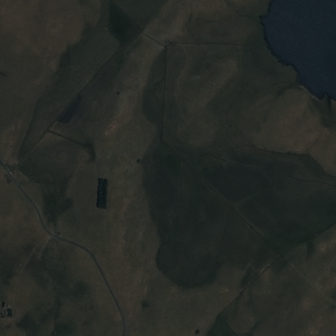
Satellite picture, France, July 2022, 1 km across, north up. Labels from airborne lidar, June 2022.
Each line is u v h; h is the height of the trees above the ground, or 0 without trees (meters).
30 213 0
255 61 0
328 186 0
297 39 0
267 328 0
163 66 0
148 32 0
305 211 0
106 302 0
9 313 13
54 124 0
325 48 0
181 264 0
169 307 0
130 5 0
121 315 0
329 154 0
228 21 0
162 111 0
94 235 0
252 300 0
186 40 0
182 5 0
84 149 0
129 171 0
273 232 0
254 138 0
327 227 0
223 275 0
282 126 0
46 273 0
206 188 0
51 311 0
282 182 0
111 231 0
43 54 0
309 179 0
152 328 0
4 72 0
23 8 0
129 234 0
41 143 0
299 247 0
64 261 0
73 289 0
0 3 0
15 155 0
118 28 0
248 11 0
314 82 0
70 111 0
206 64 0
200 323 0
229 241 0
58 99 0
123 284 0
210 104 0
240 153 0
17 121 0
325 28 0
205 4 0
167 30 0
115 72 0
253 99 0
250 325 0
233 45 0
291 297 0
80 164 0
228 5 0
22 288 0
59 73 0
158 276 0
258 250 0
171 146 0
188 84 0
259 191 0
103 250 0
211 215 0
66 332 0
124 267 0
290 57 0
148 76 0
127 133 0
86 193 0
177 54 0
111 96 0
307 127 0
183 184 0
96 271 0
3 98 0
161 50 0
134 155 0
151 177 0
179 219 0
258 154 0
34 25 0
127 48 0
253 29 0
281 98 0
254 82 0
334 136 0
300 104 0
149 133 0
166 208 0
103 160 0
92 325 0
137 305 0
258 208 0
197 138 0
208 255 0
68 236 0
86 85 0
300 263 0
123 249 0
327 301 0
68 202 0
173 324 0
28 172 0
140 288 0
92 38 0
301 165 0
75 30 0
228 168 0
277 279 0
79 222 0
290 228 0
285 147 0
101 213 0
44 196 0
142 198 0
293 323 0
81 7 0
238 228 0
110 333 0
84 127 0
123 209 0
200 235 0
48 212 0
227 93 0
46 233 0
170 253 0
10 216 0
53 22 0
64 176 0
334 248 0
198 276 0
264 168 0
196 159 0
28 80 0
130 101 0
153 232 0
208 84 0
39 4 0
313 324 0
